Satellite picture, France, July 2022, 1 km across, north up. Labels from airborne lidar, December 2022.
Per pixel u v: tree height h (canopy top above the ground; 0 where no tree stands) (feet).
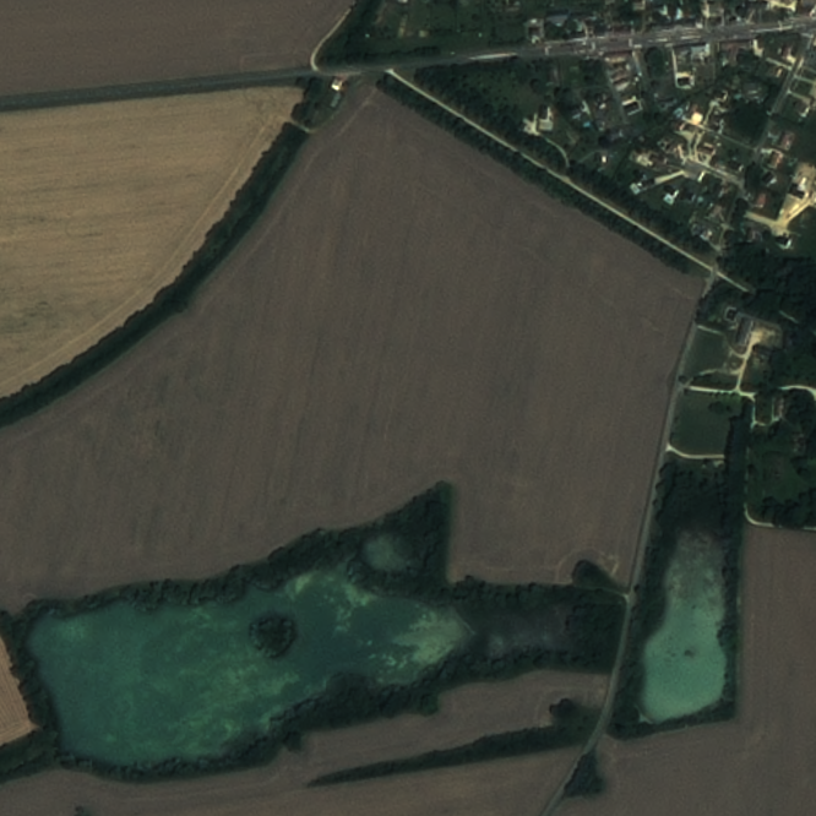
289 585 0
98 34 0
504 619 0
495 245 0
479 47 0
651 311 0
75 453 0
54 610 52
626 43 0
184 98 0
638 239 47
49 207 0
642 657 0
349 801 0
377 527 27
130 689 0
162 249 0
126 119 0
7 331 0
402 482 0
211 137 0
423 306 0
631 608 0
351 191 0
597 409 0
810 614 0
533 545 0
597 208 50
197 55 0
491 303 0
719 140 0
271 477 0
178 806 0
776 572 0
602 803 0
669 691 0
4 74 0
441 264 0
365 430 0
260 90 0
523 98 0
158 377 0
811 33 0
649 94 25
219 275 0
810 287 95
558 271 0
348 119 0
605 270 0
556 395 0
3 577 0
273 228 0
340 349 0
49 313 0
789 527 57
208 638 0
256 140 0
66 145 0
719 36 0
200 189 0
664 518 58
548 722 0
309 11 0
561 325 0
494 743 24
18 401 26
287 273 0
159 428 0
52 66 0
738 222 35
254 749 19
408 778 0
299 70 0
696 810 0
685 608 0
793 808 0
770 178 0
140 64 0
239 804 0
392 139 0
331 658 0
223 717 0
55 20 0
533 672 0
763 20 0
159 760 0
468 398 0
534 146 56
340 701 24
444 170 0
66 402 0
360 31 29
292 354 0
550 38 28
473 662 23
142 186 0
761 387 26
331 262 0
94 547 0
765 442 51
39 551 0
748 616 0
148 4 0
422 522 32
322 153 0
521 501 0
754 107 28
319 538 49
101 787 0
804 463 56
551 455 0
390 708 65
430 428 0
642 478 0
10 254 0
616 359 0
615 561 0
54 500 0
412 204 0
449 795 0
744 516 59
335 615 0
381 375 0
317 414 0
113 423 0
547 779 0
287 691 0
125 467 0
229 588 49
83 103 0
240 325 0
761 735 0
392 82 61
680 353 0
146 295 0
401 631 0
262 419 0
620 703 21
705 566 0
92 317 0
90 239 0
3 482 0
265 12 0
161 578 0
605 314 0
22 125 0
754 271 63
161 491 0
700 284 0
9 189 0
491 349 0
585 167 42
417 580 22
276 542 0
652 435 0
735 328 0
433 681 31
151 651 0
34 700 61
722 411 32
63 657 0
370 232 0
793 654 0
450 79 29
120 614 0
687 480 63
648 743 0
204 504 0
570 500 0
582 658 23
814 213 0
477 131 64
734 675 23
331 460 0
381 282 0
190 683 0
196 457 0
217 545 0
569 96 58
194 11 0
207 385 0
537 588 53
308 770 0
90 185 0
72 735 0
